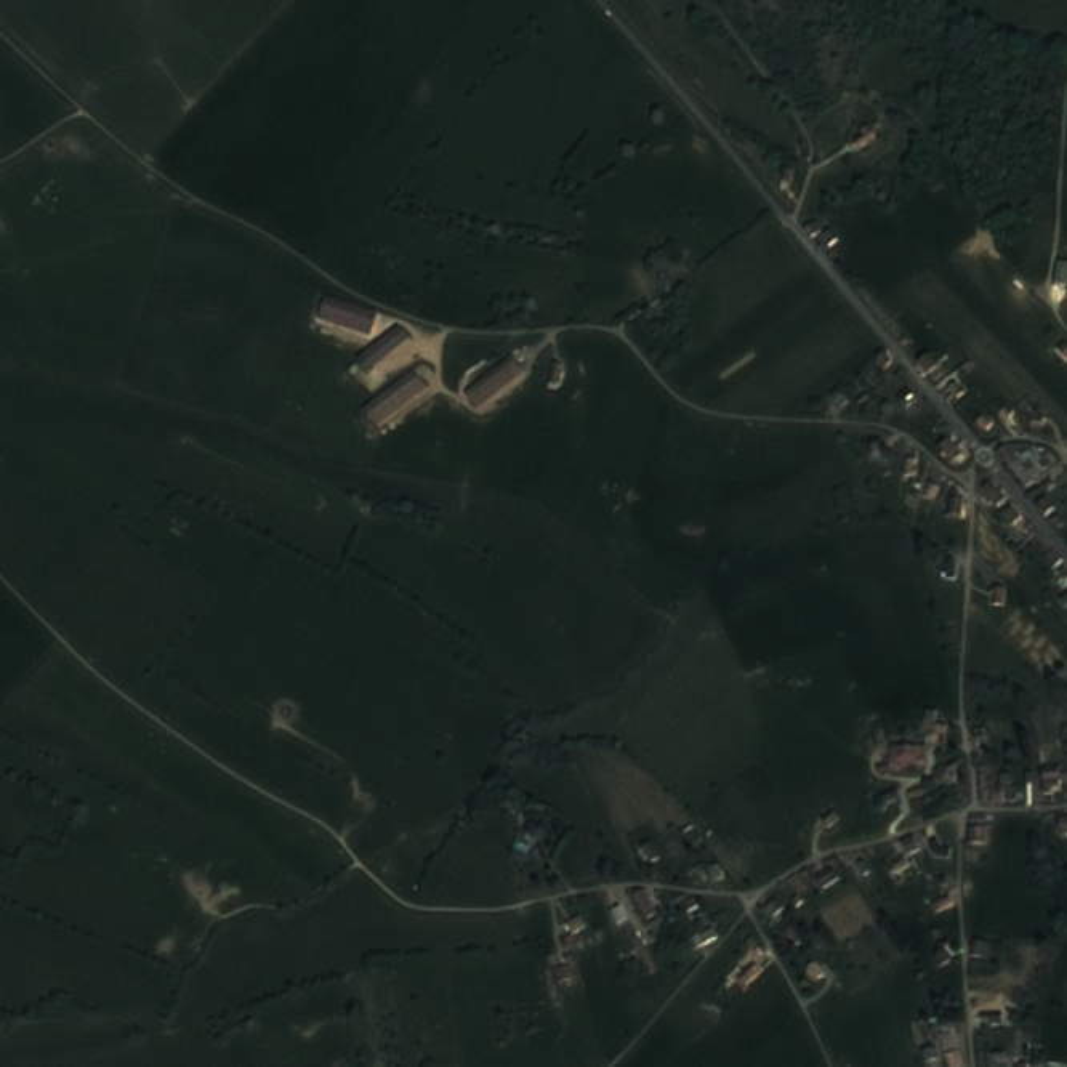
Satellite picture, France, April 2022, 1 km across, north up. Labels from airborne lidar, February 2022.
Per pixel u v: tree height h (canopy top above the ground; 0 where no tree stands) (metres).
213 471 0
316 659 0
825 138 0
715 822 0
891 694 0
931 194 0
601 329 0
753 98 0
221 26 0
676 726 0
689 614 0
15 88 0
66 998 14
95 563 0
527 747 10
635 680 0
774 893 0
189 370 0
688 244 0
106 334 0
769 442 0
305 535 0
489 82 0
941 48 9
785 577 0
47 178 0
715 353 0
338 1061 0
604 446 0
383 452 0
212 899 0
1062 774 0
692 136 0
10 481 0
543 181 0
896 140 0
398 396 0
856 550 0
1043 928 0
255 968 0
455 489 0
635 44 0
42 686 0
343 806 0
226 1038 11
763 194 0
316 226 0
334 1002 0
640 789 0
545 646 0
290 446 0
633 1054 0
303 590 0
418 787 0
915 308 0
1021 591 0
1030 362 0
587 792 0
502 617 0
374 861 0
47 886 0
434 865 8
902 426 0
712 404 0
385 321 0
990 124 8
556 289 0
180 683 6
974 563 0
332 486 0
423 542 0
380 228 0
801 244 0
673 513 0
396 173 0
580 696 0
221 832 0
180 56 0
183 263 0
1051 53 15
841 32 6
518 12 0
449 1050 0
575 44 0
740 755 0
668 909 0
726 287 0
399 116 0
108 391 0
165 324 0
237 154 0
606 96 0
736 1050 0
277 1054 0
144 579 0
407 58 0
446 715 0
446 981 0
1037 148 14
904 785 0
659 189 0
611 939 0
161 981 0
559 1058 0
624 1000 0
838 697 0
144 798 0
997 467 0
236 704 0
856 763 0
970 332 0
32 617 0
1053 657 0
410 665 0
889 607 0
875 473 0
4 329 0
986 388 0
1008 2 0
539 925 0
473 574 0
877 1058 0
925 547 22
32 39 0
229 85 0
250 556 0
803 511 0
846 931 0
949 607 0
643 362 0
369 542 0
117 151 0
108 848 0
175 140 0
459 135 0
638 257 0
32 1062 0
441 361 0
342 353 0
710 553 0
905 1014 0
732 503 0
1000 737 0
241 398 0
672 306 0
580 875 0
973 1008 0
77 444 0
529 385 0
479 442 0
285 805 0
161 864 0
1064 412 0
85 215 0
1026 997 13
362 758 0
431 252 0
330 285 0
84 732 0
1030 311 0
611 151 0
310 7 0
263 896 0
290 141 0
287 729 0
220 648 0
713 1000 0
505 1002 0
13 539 0
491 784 15
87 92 0
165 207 0
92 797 0
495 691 0
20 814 0
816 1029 0
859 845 0
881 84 0
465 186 0
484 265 0
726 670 0
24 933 0
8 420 0
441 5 0
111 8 0
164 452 0
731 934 0
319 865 0
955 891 0
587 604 0
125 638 0
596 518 0
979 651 0
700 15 14
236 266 0
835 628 0
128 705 0
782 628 0
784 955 12
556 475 0
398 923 0
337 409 0
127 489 0
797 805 0
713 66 0
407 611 0
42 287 0
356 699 0
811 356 0
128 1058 0
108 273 0
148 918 0
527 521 0
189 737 0
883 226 0
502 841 0
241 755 0
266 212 0
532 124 0
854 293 0
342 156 0
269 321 0
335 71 0
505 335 0
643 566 0
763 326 0
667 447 0
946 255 0
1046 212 0
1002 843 0
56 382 0
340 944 0
